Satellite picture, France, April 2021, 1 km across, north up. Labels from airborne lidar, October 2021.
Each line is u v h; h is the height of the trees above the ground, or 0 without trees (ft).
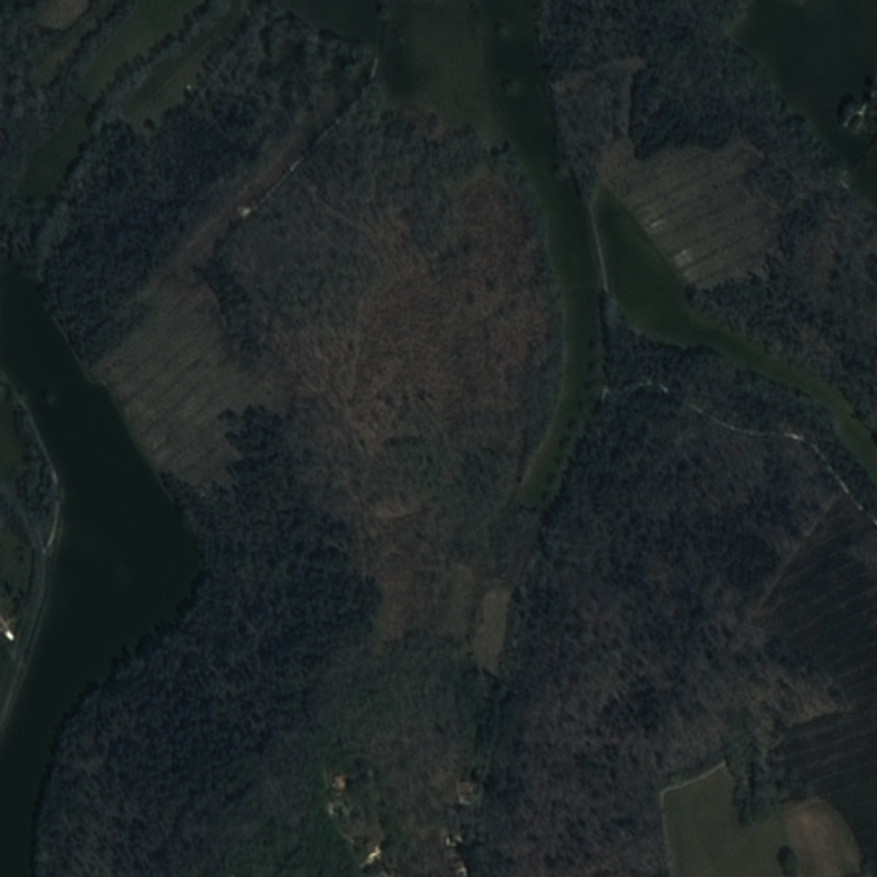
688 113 39
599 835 41
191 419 0
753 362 0
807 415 65
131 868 68
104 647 0
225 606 33
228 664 60
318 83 72
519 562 18
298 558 50
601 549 29
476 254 71
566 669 26
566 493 31
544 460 0
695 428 34
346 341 56
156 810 70
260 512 73
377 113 67
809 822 0
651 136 26
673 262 0
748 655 51
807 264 33
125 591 0
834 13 0
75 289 45
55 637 0
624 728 27
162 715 38
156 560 0
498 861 50
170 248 23
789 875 64
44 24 0
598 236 0
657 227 0
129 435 0
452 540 62
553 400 72
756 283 41
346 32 0
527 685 32
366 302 55
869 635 20
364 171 57
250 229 45
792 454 41
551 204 0
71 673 0
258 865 55
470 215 25
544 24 46
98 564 0
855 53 0
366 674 48
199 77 0
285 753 43
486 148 66
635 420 51
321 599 49
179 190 22
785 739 80
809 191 57
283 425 50
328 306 64
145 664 42
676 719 49
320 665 52
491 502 66
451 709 69
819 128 0
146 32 0
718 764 55
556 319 49
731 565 56
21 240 59
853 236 56
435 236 57
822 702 51
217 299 22
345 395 36
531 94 0
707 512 31
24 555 31
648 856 64
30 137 70
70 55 0
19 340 0
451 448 58
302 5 0
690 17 55
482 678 52
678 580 46
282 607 44
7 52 23
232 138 72
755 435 71
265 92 72
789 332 49
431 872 62
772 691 54
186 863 59
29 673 0
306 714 38
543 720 33
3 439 0
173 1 0
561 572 51
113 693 36
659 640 51
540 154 0
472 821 67
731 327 55
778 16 0
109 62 0
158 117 0
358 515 28
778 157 62
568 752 32
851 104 33
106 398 0
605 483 44
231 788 52
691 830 0
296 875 67
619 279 0
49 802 55
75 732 62
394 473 63
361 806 62
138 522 0
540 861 27
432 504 33
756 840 0
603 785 50
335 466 33
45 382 0
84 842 18
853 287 47
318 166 42
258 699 21
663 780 35
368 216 54
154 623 0
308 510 47
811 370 63
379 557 42
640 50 28
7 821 0
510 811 44
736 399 78
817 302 46
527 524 44
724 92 59
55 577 0
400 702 55
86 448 0
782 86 0
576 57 36
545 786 24
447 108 0
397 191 34
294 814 64
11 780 0
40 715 0
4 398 50
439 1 0
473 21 0
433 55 0
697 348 0
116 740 63
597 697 26
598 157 53
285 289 38
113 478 0
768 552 55
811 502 49
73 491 0
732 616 58
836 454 55
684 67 37
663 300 0
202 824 65
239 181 49
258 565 53
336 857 48
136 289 18
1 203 40
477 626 0
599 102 56
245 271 36
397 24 0
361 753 46
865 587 18
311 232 43
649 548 61
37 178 0
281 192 47
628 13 25
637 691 46
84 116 0
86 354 38
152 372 0
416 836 46
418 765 72
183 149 33
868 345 52
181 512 48
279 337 32
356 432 44
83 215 38
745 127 62
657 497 29
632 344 33
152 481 0
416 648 60
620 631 39
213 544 39
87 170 33
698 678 59
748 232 0
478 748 72
